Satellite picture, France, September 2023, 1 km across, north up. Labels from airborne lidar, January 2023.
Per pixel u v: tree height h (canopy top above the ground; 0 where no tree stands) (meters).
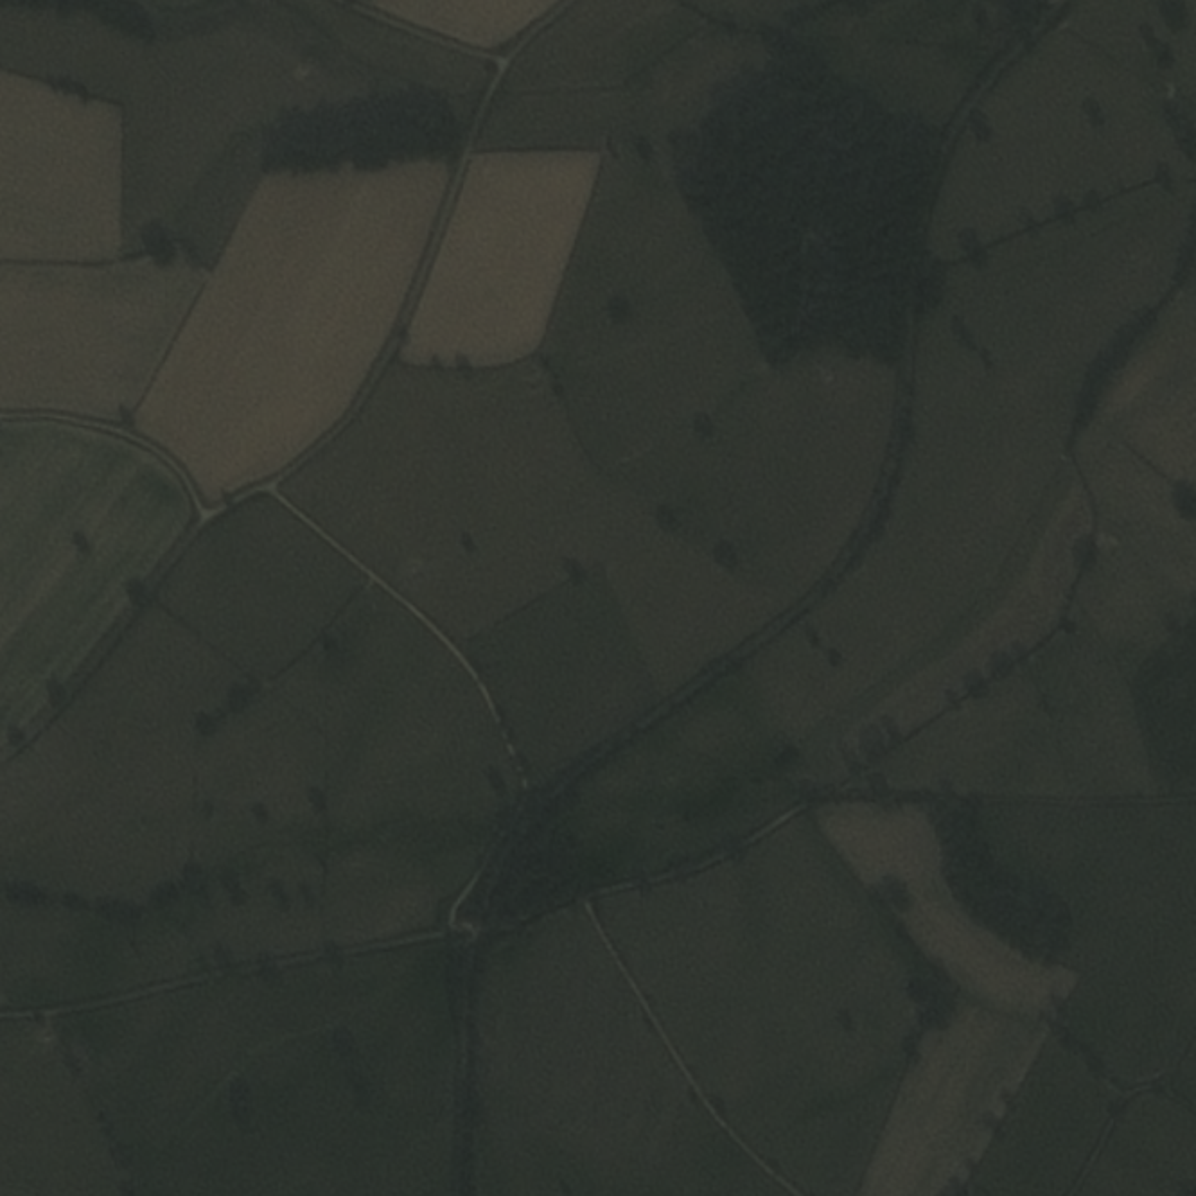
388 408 0
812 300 19
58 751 0
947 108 0
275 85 0
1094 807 0
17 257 0
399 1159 0
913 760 0
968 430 0
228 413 0
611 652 0
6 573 0
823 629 0
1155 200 0
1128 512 0
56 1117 0
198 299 0
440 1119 0
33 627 0
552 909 8
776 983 0
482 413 0
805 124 13
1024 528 0
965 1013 0
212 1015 0
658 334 0
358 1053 18
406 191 0
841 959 0
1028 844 0
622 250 0
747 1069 0
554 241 0
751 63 0
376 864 0
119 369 0
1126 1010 0
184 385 0
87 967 0
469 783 0
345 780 0
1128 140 0
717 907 0
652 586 0
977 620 0
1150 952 0
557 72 0
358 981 0
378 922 0
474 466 0
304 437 0
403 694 0
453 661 0
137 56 0
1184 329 0
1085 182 0
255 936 0
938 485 0
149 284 0
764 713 0
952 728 0
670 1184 0
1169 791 0
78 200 0
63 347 0
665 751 0
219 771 0
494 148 0
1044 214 0
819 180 29
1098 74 0
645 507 0
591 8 0
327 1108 0
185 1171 0
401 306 0
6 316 0
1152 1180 0
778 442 0
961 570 0
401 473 0
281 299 0
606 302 0
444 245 0
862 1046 0
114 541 0
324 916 0
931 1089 0
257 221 0
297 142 18
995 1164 0
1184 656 0
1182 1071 0
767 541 0
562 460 0
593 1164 0
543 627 0
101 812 0
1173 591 0
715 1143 0
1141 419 0
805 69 21
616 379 0
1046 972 0
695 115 0
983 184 0
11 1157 0
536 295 0
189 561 0
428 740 0
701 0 0
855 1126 0
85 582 0
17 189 0
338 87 0
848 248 19
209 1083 0
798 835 0
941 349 0
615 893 0
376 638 0
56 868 0
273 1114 0
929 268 11
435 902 0
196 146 0
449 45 0
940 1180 0
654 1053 0
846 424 0
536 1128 0
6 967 0
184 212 0
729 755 0
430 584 0
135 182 0
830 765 0
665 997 0
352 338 0
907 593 0
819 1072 0
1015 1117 0
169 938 0
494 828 0
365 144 19
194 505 0
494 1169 0
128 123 0
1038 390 0
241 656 0
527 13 0
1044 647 0
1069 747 0
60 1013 0
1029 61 0
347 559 0
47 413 0
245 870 0
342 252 0
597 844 0
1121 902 0
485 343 0
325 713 0
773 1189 0
